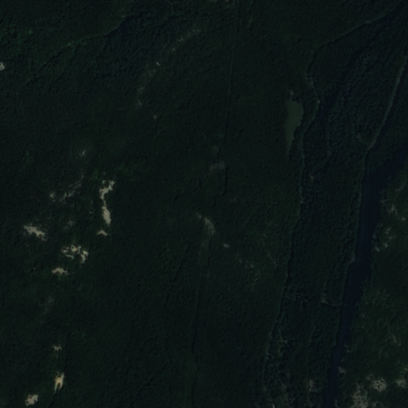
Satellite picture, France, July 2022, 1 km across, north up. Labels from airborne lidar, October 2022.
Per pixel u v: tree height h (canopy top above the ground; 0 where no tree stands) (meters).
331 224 20
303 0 23
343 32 21
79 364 18
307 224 23
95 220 21
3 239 21
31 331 15
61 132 21
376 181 24
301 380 22
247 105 20
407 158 11
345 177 29
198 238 15
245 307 12
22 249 16
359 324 10
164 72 11
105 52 24
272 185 19
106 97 14
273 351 16
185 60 17
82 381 14
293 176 20
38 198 19
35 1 30
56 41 20
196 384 13
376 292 7
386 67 24
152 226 21
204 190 25
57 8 25
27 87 23
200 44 16
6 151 15
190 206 21
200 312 21
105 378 15
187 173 20
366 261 28
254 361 22
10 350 24
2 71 45
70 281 14
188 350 20
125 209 25
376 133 22
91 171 20
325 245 15
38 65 18
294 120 0
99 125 21
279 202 22
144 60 12
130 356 18
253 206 13
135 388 18
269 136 29
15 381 16
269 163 25
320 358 13
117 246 23
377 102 25
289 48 21
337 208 20
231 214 16
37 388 15
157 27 23
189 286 19
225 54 23
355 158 24
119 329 17
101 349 15
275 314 19
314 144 27
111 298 18
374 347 12
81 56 12
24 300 11
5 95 18
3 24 18
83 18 27
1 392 16
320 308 24
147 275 17
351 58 24
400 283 18
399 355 13
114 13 18
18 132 18
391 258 19
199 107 33
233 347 24
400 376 9
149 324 21
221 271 16
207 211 6
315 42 24
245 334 25
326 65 28
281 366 8
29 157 22
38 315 14
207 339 28
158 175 28
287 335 23
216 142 29
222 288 18
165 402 14
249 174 19
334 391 28
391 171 27
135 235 20
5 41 26
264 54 25
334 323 24
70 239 16
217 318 25
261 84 28
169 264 14
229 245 19
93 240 23
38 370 23
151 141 27
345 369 13
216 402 17
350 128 23
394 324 13
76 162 10
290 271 19
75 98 20
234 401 23
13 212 19
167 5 36
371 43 39
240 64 21
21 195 22
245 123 27
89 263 20
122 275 20
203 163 18
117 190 15
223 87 28
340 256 19
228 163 15
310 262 29
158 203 20
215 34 19
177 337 25
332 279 17
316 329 14
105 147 16
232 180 24
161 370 12
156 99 20
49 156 21
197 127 32
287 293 19
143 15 25
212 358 29
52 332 26
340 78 27
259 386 22
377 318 13
